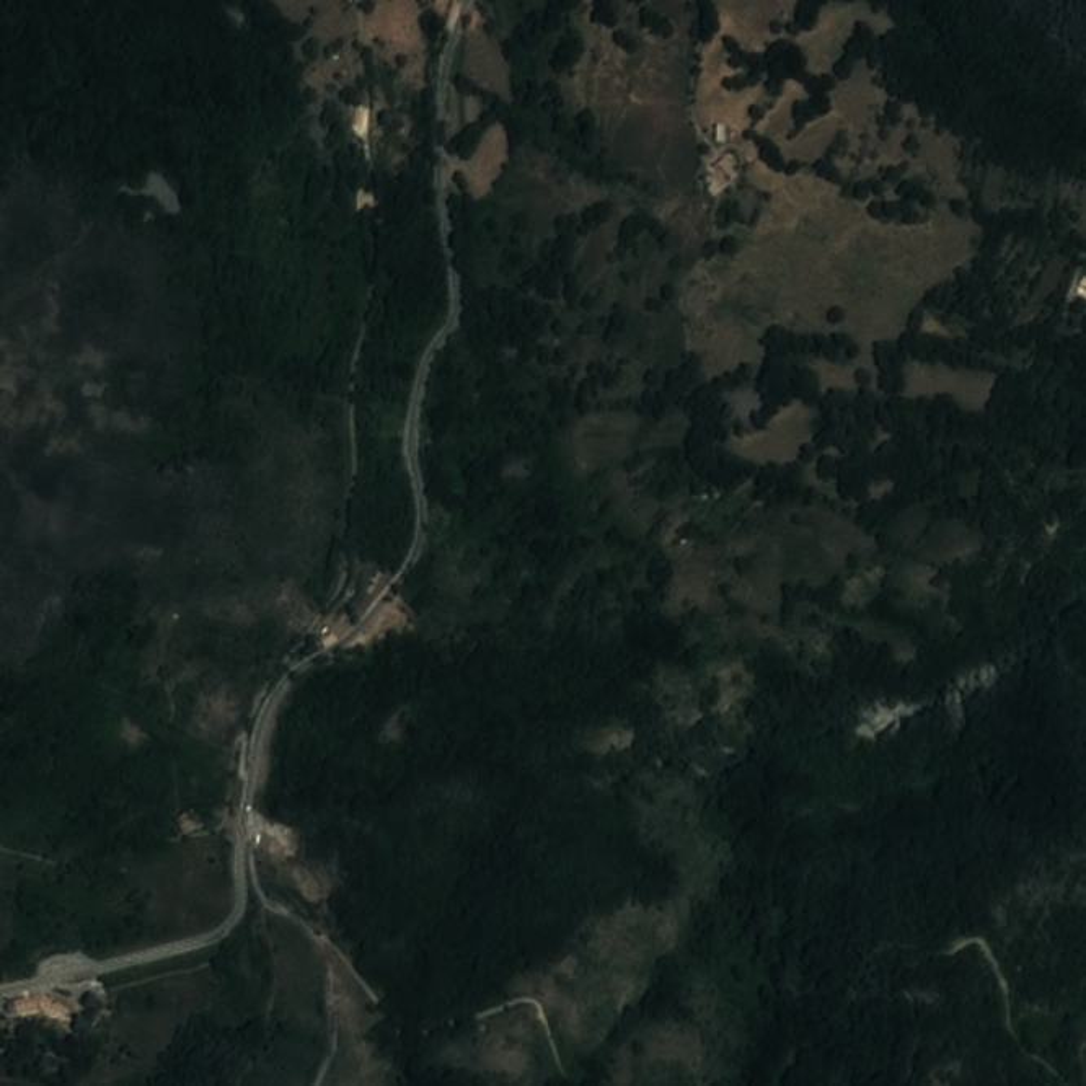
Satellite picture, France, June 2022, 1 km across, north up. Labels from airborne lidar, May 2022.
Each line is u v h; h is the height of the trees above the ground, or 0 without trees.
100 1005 16
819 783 9
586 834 11
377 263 12
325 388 10
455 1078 16
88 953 12
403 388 6
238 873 0
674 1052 0
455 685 9
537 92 17
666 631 16
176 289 6
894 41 17
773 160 13
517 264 11
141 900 7
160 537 0
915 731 8
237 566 8
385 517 12
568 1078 12
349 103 14
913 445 13
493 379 9
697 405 21
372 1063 0
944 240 0
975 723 16
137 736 0
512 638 8
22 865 10
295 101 10
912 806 17
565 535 7
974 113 15
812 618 8
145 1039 0
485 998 15
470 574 0
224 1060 15
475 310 17
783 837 8
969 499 11
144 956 0
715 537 6
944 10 18
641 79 0
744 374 20
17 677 6
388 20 0
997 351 16
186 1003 6
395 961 16
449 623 7
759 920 21
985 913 7
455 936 17
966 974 11
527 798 19
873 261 0
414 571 10
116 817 10
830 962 13
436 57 6
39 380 0
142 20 20
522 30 14
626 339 0
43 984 0
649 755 8
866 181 6
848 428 16
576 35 6
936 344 13
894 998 8
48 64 16
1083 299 11
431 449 14
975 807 16
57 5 26
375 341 10
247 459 8
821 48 0
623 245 13
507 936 13
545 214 0
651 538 8
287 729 8
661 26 13
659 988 17
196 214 8
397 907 14
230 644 9
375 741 7
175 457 10
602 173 7
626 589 9
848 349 22
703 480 6
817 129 0
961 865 15
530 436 13
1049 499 9
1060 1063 12
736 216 9
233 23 6
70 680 7
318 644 13
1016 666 11
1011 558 8
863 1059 16
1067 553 10
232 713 0
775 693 20
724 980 7
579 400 15
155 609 0
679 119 0
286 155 8
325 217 10
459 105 0
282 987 0
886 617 6
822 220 0
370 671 11
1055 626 7
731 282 0
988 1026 11
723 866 10
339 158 14
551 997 0
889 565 9
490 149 0
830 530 0
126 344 8
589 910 8
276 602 0
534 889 16
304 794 16
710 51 0
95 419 0
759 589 0
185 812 6
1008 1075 13
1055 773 23
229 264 12
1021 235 7
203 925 0
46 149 7
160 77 16
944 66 19
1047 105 15
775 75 17
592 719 6
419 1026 10
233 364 11
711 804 9
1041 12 10
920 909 14
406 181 18
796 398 12
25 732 8
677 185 0
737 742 13
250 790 0
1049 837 11
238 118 14
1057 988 14
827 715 10
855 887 11
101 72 16
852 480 18
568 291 13
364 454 8
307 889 0
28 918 6
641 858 11
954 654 18
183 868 0
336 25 0
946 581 8
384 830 12
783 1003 15
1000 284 10
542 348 10
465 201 15
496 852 21
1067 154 17
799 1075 14
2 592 0
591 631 7
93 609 8
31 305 0
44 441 0
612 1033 8
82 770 5
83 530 0
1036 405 8
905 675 17
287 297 13
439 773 11
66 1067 13
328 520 0
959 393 0
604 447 0
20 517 0
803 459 12
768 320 0
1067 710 6
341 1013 0
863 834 13
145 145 11
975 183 8
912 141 12
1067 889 6
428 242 13
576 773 12
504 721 15
